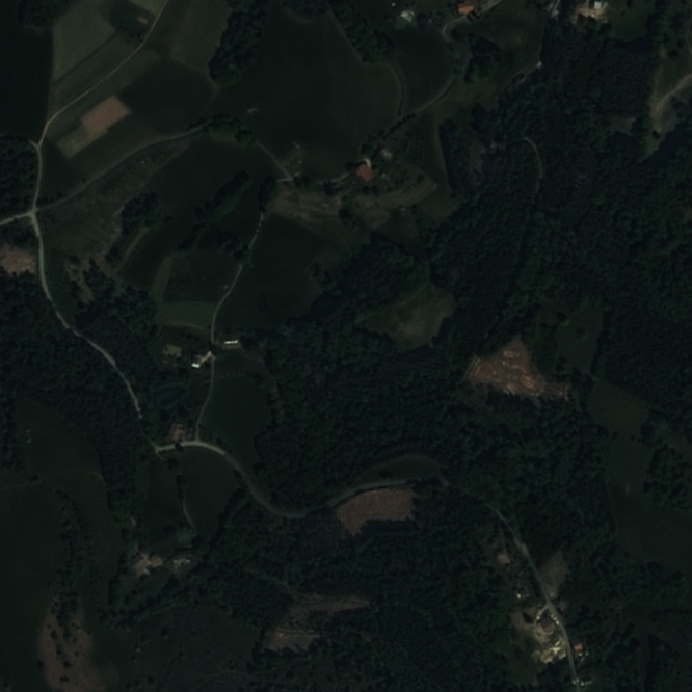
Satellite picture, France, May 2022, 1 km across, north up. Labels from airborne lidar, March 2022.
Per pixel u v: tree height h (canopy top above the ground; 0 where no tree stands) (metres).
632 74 29
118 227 0
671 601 20
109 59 0
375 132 0
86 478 0
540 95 19
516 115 23
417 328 0
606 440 23
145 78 0
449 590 12
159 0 0
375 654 8
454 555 15
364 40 25
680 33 28
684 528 0
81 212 0
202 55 0
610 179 31
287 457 11
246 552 13
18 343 25
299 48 0
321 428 24
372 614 6
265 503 0
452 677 18
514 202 6
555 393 28
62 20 0
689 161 34
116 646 0
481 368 24
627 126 0
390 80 0
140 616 9
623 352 8
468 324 14
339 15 24
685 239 24
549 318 0
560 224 19
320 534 23
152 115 0
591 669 9
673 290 20
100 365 22
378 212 0
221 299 0
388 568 13
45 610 0
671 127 0
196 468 0
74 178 0
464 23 0
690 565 0
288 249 0
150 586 0
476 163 0
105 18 0
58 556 0
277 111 0
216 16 0
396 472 0
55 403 24
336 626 17
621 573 16
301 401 28
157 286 0
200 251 0
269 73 0
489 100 0
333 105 0
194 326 0
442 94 0
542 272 31
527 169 6
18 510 0
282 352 24
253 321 0
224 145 0
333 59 0
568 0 15
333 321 39
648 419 0
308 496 6
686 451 0
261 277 0
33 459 0
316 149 0
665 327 17
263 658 18
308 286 0
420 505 16
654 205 30
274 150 0
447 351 19
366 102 0
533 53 0
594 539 25
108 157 0
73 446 0
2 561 0
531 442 21
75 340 26
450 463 20
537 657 0
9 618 0
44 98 0
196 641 0
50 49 0
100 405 23
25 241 16
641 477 0
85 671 0
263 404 0
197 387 0
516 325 19
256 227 0
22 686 0
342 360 13
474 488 28
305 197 0
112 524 0
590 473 23
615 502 0
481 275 12
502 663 19
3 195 14
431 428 21
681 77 0
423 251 0
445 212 0
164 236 0
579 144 22
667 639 0
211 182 0
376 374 32
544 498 28
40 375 28
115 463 23
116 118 0
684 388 24
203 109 0
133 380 20
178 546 0
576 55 20
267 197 22
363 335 17
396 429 15
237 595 8
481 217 21
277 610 18
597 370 12
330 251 0
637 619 0
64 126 0
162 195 0
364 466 20
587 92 27
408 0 0
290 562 21
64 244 0
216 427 0
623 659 23
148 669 0
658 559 0
